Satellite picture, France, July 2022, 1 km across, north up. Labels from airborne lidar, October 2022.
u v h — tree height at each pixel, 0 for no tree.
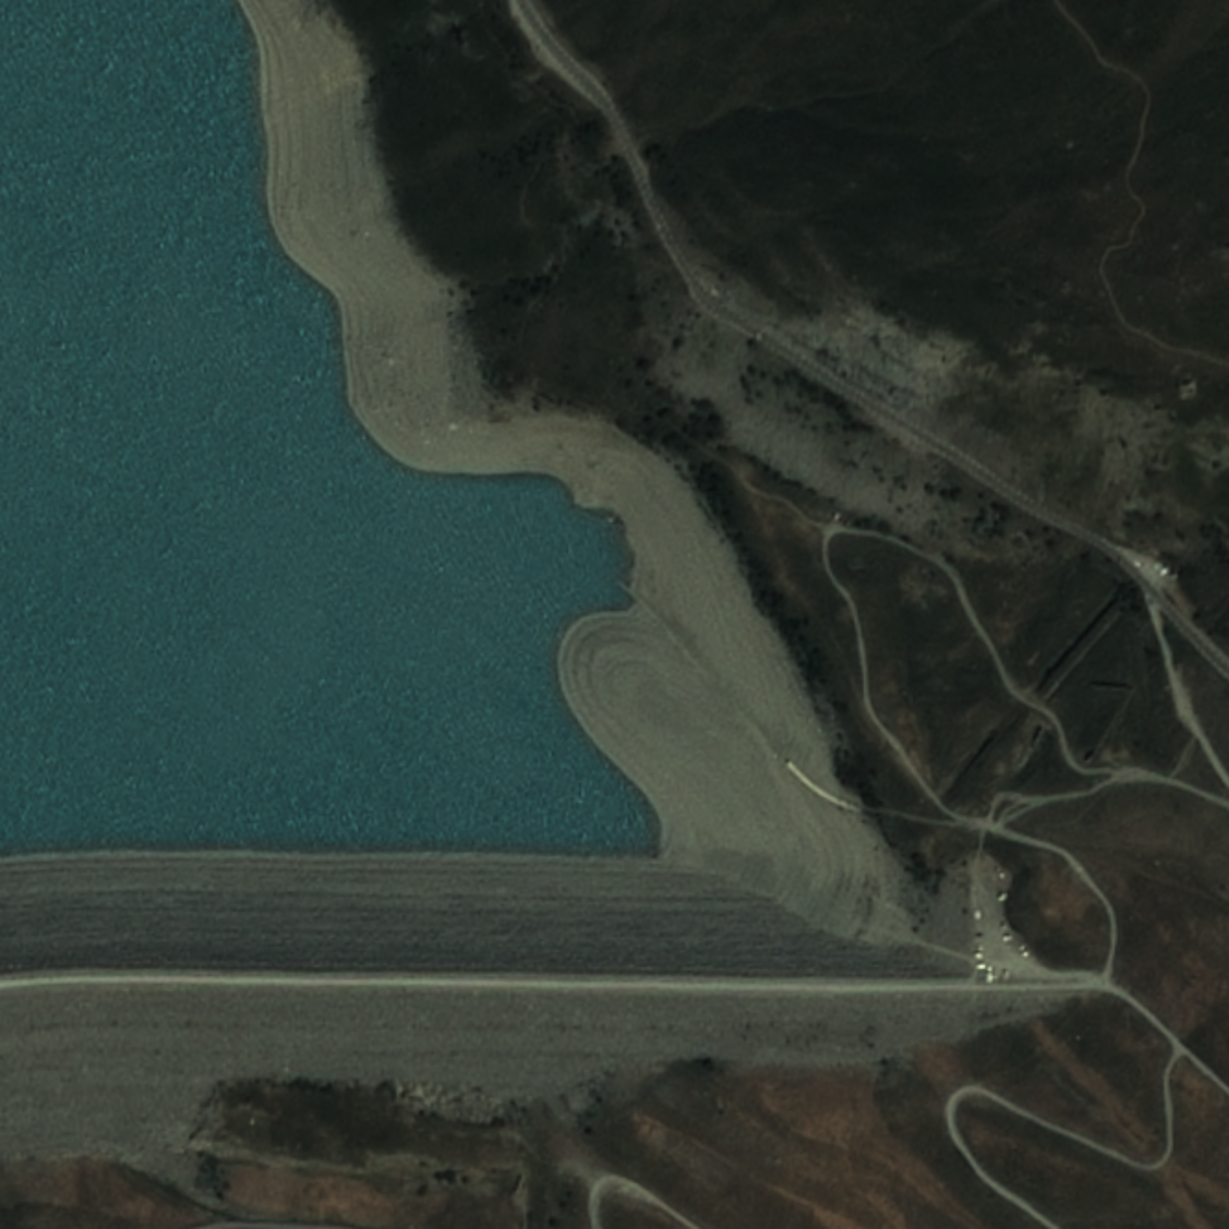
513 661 0
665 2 0
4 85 0
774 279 0
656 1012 0
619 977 0
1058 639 0
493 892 0
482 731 0
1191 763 0
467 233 0
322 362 0
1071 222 0
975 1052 0
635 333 0
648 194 0
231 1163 0
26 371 0
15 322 0
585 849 0
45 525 0
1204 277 0
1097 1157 0
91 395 0
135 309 0
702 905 0
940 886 0
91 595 0
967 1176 0
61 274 0
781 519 0
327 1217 0
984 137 0
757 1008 0
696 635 0
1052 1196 0
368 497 0
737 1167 0
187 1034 0
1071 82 0
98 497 0
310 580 0
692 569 0
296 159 0
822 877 0
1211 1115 0
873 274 0
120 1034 0
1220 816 0
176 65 0
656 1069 0
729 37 0
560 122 0
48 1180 0
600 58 0
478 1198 0
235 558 0
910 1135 0
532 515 0
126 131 0
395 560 0
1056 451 0
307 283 0
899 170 0
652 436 7
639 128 0
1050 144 0
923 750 0
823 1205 0
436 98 0
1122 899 0
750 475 0
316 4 0
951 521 0
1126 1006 0
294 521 0
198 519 0
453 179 0
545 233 0
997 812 0
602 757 0
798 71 0
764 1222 0
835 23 0
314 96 0
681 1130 0
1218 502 0
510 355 0
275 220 0
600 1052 0
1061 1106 0
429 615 0
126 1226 0
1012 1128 0
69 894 0
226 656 0
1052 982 0
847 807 0
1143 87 0
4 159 0
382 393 0
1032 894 0
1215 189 0
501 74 0
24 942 0
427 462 0
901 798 0
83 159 0
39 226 0
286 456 0
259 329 0
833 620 0
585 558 0
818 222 0
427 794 0
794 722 0
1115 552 0
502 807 0
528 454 0
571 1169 0
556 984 0
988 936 0
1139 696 0
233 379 0
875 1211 0
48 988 0
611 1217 0
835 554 0
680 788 0
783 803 0
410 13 0
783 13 0
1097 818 0
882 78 0
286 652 0
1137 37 0
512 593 0
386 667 0
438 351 0
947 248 0
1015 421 0
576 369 0
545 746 0
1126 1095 0
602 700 0
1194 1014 0
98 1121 0
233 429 0
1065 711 0
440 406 0
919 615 0
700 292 0
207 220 0
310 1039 0
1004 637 0
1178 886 0
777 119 0
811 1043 0
